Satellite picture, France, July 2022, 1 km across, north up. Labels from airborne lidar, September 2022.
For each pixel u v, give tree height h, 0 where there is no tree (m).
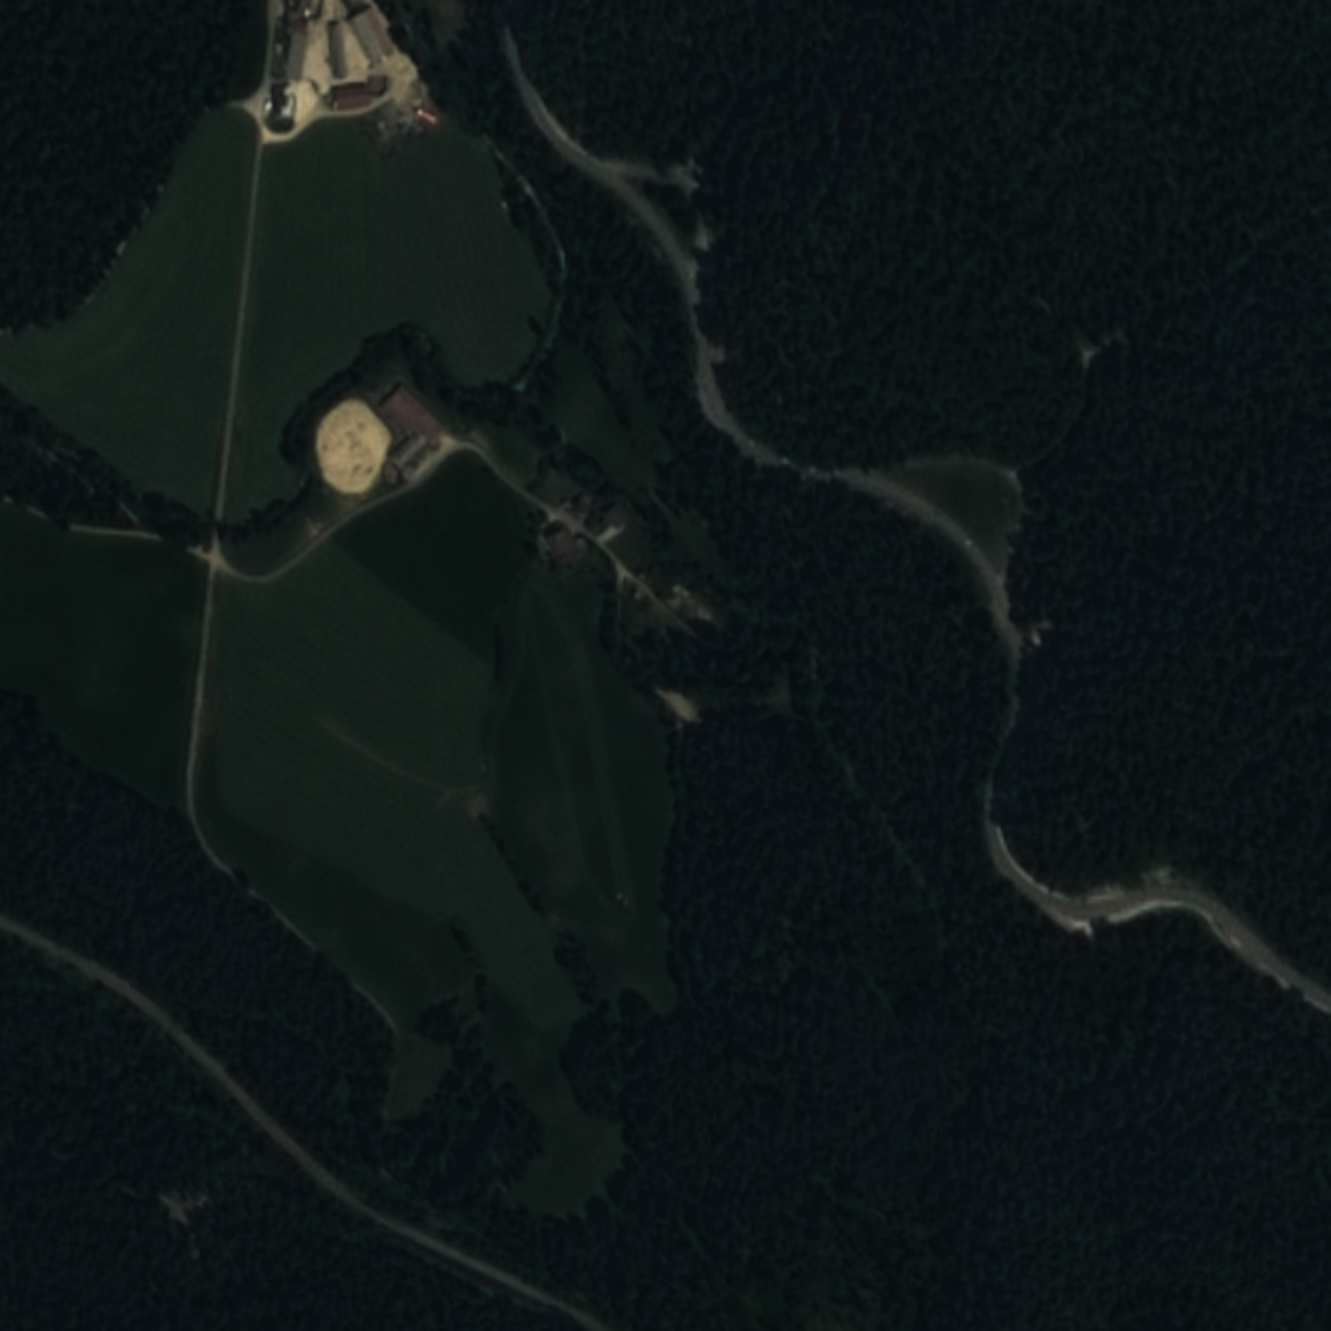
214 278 0
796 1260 12
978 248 22
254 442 0
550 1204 0
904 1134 31
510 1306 20
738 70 17
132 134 33
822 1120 29
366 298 0
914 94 29
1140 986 26
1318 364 28
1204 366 6
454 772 0
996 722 24
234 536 12
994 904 17
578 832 0
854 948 31
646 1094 29
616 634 21
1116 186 18
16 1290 16
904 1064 33
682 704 0
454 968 0
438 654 0
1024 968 32
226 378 0
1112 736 18
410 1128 16
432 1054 0
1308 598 35
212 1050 10
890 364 13
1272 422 13
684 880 27
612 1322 14
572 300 21
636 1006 22
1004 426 12
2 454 24
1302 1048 31
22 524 0
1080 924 0
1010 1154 23
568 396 0
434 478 0
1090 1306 26
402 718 0
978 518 0
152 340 0
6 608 0
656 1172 28
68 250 17
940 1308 36
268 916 21
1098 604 38
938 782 30
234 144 0
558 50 11
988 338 19
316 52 0
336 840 0
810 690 26
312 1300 29
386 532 0
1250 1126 18
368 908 0
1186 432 21
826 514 24
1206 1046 14
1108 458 29
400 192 0
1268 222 24
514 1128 27
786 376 18
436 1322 13
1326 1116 22
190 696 0
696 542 0
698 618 0
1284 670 21
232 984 26
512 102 17
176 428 0
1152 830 11
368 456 0
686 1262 23
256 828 0
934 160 7
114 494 21
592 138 14
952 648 22
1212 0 20
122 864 22
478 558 0
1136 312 19
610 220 25
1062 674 7
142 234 0
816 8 7
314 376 0
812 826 22
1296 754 25
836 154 23
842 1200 9
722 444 18
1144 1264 29
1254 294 16
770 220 24
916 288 20
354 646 0
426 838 0
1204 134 15
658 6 18
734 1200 21
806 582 16
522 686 0
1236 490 25
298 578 0
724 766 28
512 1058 0
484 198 0
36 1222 20
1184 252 8
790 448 14
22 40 17
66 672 0
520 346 0
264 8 0
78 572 0
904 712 24
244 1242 21
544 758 0
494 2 27
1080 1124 20
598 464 19
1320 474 33
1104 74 18
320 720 0
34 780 21
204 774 0
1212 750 14
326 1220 14
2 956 24
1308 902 15
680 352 23
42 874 24
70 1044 29
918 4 7
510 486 0
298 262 0
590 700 0
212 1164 15
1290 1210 19
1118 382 26
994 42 12
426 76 17
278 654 0
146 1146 24
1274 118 22
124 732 0
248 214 0
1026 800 20
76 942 10
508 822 0
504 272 0
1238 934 0
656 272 25
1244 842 17
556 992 0
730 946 34
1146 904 0
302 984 25
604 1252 28
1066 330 26
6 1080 30
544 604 0
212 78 27
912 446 21
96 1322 30
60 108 22
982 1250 17
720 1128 27
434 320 0
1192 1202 20
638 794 0
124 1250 20
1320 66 19
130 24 23
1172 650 20
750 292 17
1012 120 16
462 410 13
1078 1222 22
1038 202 13
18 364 0
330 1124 30
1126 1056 13
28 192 31
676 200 16
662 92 23
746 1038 36
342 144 0
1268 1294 19
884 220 21
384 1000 0
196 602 0
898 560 30
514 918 0
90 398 0
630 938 0
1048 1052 38
